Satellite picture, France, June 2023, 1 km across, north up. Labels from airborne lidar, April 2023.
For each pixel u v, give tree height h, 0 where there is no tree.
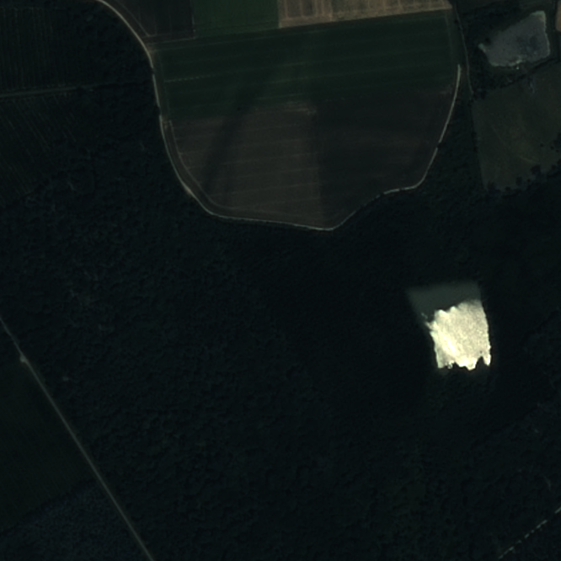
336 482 24
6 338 16
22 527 10
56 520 28
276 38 0
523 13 0
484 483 17
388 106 0
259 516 21
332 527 25
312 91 0
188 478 16
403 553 6
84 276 22
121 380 15
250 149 0
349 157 0
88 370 22
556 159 0
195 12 0
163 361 21
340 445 23
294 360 19
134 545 24
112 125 12
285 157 0
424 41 0
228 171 0
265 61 0
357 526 25
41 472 0
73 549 23
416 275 12
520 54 0
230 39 0
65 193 22
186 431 23
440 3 0
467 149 7
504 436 24
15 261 19
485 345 0
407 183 0
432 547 15
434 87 0
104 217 23
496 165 0
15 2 14
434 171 7
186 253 20
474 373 0
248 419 25
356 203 0
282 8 0
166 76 0
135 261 20
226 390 23
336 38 0
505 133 0
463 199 10
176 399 20
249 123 0
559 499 18
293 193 0
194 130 0
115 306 22
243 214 0
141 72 26
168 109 0
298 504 21
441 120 0
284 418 22
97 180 22
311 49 0
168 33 0
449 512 9
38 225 20
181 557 19
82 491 26
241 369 25
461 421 15
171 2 0
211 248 22
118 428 17
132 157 23
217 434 22
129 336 23
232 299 23
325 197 0
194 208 12
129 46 16
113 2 0
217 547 22
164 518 22
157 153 20
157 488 21
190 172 0
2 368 18
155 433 23
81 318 20
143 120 20
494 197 25
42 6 6
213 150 0
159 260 20
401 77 0
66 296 20
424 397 11
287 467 24
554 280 11
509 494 23
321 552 27
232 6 0
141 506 21
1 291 20
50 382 15
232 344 25
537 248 7
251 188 0
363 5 0
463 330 0
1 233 17
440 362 0
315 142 0
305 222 0
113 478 22
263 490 24
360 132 0
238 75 0
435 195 7
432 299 0
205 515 24
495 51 0
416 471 7
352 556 25
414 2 0
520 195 11
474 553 22
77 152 20
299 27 0
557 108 0
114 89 20
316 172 0
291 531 22
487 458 19
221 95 0
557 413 18
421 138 0
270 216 0
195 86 0
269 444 23
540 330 18
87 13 20
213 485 24
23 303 21
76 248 16
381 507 21
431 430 15
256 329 23
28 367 0
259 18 0
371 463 19
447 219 12
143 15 0
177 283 21
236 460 20
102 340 19
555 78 0
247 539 19
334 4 0
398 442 19
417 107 0
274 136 0
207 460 24
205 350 18
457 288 0
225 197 0
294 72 0
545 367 22
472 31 6
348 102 0
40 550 21
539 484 22
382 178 0
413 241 14
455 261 7
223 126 0
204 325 19
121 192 21
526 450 22
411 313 11
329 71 0
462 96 6
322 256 11
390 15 0
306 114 0
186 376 21
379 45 0
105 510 26
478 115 0
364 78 0
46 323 15
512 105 0
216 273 24
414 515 12
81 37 18
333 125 0
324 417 22
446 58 0
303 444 22
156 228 21
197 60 0
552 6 0
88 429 20
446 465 15
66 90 0
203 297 18
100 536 32
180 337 20
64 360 25
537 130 0
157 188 20
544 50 0
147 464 17
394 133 0
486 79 7
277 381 22
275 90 0
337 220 0
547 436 19
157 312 22
